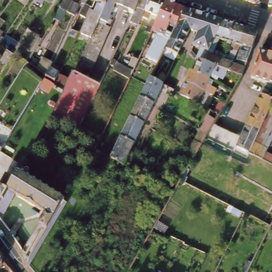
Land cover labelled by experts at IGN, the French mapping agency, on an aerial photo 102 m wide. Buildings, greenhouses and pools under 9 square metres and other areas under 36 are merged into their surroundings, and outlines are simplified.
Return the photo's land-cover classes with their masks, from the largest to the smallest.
<instances>
[{"label":"building","instance_id":"1","mask_svg":"<svg viewBox=\"0 0 272 272\"><path fill-rule=\"evenodd\" d=\"M22 5L11 25L6 28L4 20L0 18V74L11 57L17 58L18 65L15 68L18 72L27 68L35 72L42 79L38 86L41 93H44L48 105L53 108L51 114L56 119L74 122L84 115L87 106L93 102L100 98L99 89L98 81L107 70L103 62L116 53L113 46L115 38L122 36L130 25L135 27L138 23L141 27L142 25L149 32L141 52L144 54L141 58L143 65L139 66L136 74L146 79V82L122 131L117 132L118 138L110 156V159L123 165L131 150L137 136L147 137L150 132L155 131L154 124L158 119L159 108L167 102L168 92L173 90V85L178 84V93L185 98L205 104L209 97L217 100L221 97L223 90L217 85L216 80L223 79L226 72L234 70L244 74L250 67L267 21L258 15L256 23L249 21L243 25L233 20H223L216 16L217 12L207 13L205 16L201 10L185 7L174 0H18ZM30 13L37 16L48 14L47 18L54 21L52 27L46 30L44 37H39L35 32L23 27L22 23ZM67 37L80 40H85V41H86V44H85V46H84V47H85V49H84V53H83L82 55H80V58H79V62H78V64H76L75 66V70L67 76L59 73L51 63L56 61L58 53L64 48ZM185 52L188 57L194 59L195 65L193 68L180 67L177 79L173 78L172 71L177 62L175 57L177 53ZM252 4L266 3L272 8V0H243ZM260 74L251 76L257 82L272 84V50L260 49L256 59ZM251 117L242 127L241 133L235 134L220 126L210 115L204 117L203 124L191 143L193 153L190 158L198 163L202 157L203 147H210L241 163L249 164L251 161L255 165V177L263 176L267 171L272 172V95L265 93L259 102L254 104ZM19 121L7 120L0 116V220L3 219L7 207L14 206L13 200L16 197L35 207L34 211L38 212L39 217L33 220L38 225L27 243L21 246L31 260L53 227L66 202L61 192L37 180L29 172H24L14 163L12 156L15 150L7 144L11 140L8 136ZM182 208V204L170 195H167V204L160 209L158 220L152 227L165 232L173 226L172 220ZM228 214L234 217L241 216V210L229 205L226 208ZM0 272H13L7 263L1 261L0 255Z\"/></svg>","mask_w":272,"mask_h":272},{"label":"herbaceous vegetation","instance_id":"2","mask_svg":"<svg viewBox=\"0 0 272 272\"><path fill-rule=\"evenodd\" d=\"M22 5L18 0H0V18L4 20L6 28L11 25ZM48 14L37 16L30 13L22 23L23 27L35 32L39 37H44L46 30L52 27L54 21L47 18ZM149 32L142 25L141 27L130 50V54L135 57L141 52ZM80 40L67 37L64 48L58 53L56 61L51 63L59 73L67 76L75 70V66H69L68 64H67V59L69 58V56L71 55V54H73V52H74V48H75V46H76V44H78V41ZM177 62L172 71L173 78L177 79L180 67L193 68L195 65L194 59L188 57L185 52L177 53L175 57ZM18 65L17 58L11 57L0 74V116L7 120L19 121L8 136L11 140L7 144L15 150L12 156L14 163L24 172H29L37 180L61 192L66 202H69L71 197L73 181L80 176L81 166L67 164L65 157L58 152L55 131L44 127L51 114L53 108L48 105L44 93H41L38 86L42 79L35 72L27 68L18 72L15 68ZM99 89L112 100L109 107L112 108V114L104 121L97 116L93 102L87 106L84 115L74 122L76 129L89 137L101 152L110 156L118 138L117 132L122 131L146 82V79L136 74L132 80H124L120 75L107 70L98 81ZM244 74L234 70L226 72L223 79L216 80L217 85L223 90L221 97L217 100L209 97L205 104L185 98L178 93V84L173 85V90L168 92L167 102L159 108L158 119L154 124L155 131L150 132L147 137L137 136L131 150L146 151L148 157H154L163 165L169 158L176 156L190 158L193 153L191 143L203 124L204 117L210 115L220 126L228 117L229 109L233 105L232 98ZM255 165L251 161L249 164L241 163L210 147H203L202 157L198 163L192 171L189 169L183 174L185 182L171 190L170 195L182 204V208L172 220L173 226L165 232L152 227L140 243L146 258L143 261L136 259L132 266L139 272H272V222L271 215L266 211L271 206L268 200H265L269 192L260 190L241 177L237 180L233 173L240 172L252 178L257 184L272 190V172L267 171L263 176L255 177ZM229 205L241 210V216L234 217L228 214L226 208ZM68 245L64 235L59 231L55 232L53 227L31 260L32 272H40L49 260L48 254L53 255L54 250L66 249Z\"/></svg>","mask_w":272,"mask_h":272},{"label":"deciduous trees","instance_id":"3","mask_svg":"<svg viewBox=\"0 0 272 272\"><path fill-rule=\"evenodd\" d=\"M100 98L93 102L97 116L104 121L112 114V108L109 107L112 100L99 89ZM44 127L55 131L58 152L65 157L67 164L81 166L80 176L73 181L71 197L69 202H66L53 227L55 232L59 231L64 235L68 245L66 249L54 250L53 255L48 254L49 260L50 270L56 259L62 255L65 262L75 257L78 260L89 261L96 267H102L107 263L109 272H139L132 266L136 259L143 261L146 258L140 243L152 227L158 220L160 209L167 204V195H170L171 190L185 182L183 174L189 169L192 171L198 163L190 158L176 156L169 158L163 165L154 157H148L146 151L131 150L123 165L110 159L104 176L90 170L88 165L91 160L101 152L89 137L76 129L74 122L56 119L51 114ZM137 186L140 192L137 197L141 199L146 195L148 200L136 207V214L130 219V222L135 224L131 232L135 237L132 253L125 249L113 250L112 243L117 237L110 234L107 219L118 215L122 199L125 195H130L129 190L136 189Z\"/></svg>","mask_w":272,"mask_h":272},{"label":"impervious surface","instance_id":"4","mask_svg":"<svg viewBox=\"0 0 272 272\"><path fill-rule=\"evenodd\" d=\"M185 7L201 10L205 16L207 13L217 12L216 16L223 20H233L243 25L249 21L256 23L258 15L267 21L250 67L244 74L232 98L233 105L229 109L228 117L220 126L235 134L241 133L242 127L251 117L254 104L259 102L265 93L272 95V84L257 82L251 76L260 74L256 59L260 49L272 50V8L266 3L252 4L243 0H174ZM141 27L138 23L135 27L130 25L122 36L115 38L113 46L116 53L103 62L107 70L120 75L124 80H132L136 74L139 66L143 65L141 58L144 54L141 52L135 57L130 54V50ZM237 180L241 177L260 190L269 192L265 200H268L271 206L266 211L271 215L272 222V190L257 184L252 178L240 172L233 173ZM14 206L7 207L3 219L0 220V255L1 261L7 263L13 272H32L31 260L21 246L27 243L38 225L33 220L39 217L38 212L34 211L35 207L16 197L13 200Z\"/></svg>","mask_w":272,"mask_h":272},{"label":"coniferous trees","instance_id":"5","mask_svg":"<svg viewBox=\"0 0 272 272\"><path fill-rule=\"evenodd\" d=\"M137 186L136 189L129 190L130 195H125L122 199L118 215L107 219L110 234L117 237L112 243L113 250L125 249L132 253L135 237L131 232L135 224L130 222V219L136 214V207L148 200L146 195L141 199L137 197L140 192ZM49 260L40 272H109L107 263L102 267H96L89 261L78 260L75 257L65 262L62 255L56 259L50 270Z\"/></svg>","mask_w":272,"mask_h":272},{"label":"brushwood","instance_id":"6","mask_svg":"<svg viewBox=\"0 0 272 272\"><path fill-rule=\"evenodd\" d=\"M85 44H86V41H85V40H80L78 41V44H76V46H75V48H74V52H73V54H71V55L69 56V58L67 59V64H68L69 66H75L76 64H78V62H79V58H80V55H82L83 53H84V49H85V47H84V46H85ZM110 159V156L101 152L91 160L88 165L90 170L104 176Z\"/></svg>","mask_w":272,"mask_h":272}]
</instances>
